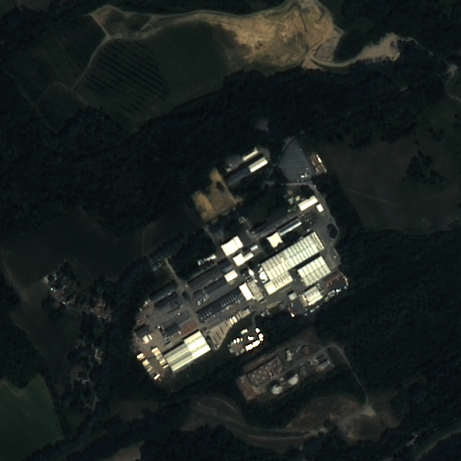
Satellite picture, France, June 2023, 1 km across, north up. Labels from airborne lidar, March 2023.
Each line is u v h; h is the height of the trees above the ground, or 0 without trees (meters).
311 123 25
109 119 21
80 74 0
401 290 19
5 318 22
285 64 0
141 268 22
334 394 0
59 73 0
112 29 0
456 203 0
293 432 0
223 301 0
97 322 10
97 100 0
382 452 11
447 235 13
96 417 14
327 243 0
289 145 0
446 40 20
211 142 25
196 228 0
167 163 23
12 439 0
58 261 0
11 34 28
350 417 0
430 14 15
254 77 19
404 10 24
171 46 0
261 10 0
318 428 0
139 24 0
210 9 0
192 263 7
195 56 0
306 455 14
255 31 0
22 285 0
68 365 0
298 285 0
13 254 0
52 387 10
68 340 0
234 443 21
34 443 0
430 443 0
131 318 19
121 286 24
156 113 0
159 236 0
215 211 0
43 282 0
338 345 0
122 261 0
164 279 0
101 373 25
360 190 0
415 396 24
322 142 0
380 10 16
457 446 28
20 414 0
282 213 0
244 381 0
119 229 22
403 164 0
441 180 11
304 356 0
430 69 34
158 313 0
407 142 0
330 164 0
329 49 0
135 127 0
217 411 0
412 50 16
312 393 14
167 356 0
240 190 10
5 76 20
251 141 18
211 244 23
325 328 21
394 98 23
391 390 0
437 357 16
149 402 0
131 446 0
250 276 0
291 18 0
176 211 0
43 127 20
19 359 22
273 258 0
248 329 0
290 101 25
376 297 19
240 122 27
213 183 0
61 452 24
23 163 27
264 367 0
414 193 0
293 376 0
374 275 20
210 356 0
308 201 0
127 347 23
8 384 0
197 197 0
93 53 0
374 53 0
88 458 37
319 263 0
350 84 19
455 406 19
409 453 17
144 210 26
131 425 11
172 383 0
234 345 0
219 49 0
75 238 0
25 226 27
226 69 0
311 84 25
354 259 21
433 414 20
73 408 9
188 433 10
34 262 0
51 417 0
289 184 0
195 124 26
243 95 23
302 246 0
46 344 0
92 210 21
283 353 0
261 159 0
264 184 0
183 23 0
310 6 0
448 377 27
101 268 0
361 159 0
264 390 0
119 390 18
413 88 20
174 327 0
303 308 0
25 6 0
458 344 11
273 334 16
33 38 22
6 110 27
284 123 21
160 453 23
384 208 0
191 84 0
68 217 0
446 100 0
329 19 0
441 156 0
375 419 0
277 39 0
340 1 0
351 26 0
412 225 0
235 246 0
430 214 0
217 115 32
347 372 12
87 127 23
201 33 0
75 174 24
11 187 25
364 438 0
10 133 26
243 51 0
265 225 0
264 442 0
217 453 17
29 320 0
